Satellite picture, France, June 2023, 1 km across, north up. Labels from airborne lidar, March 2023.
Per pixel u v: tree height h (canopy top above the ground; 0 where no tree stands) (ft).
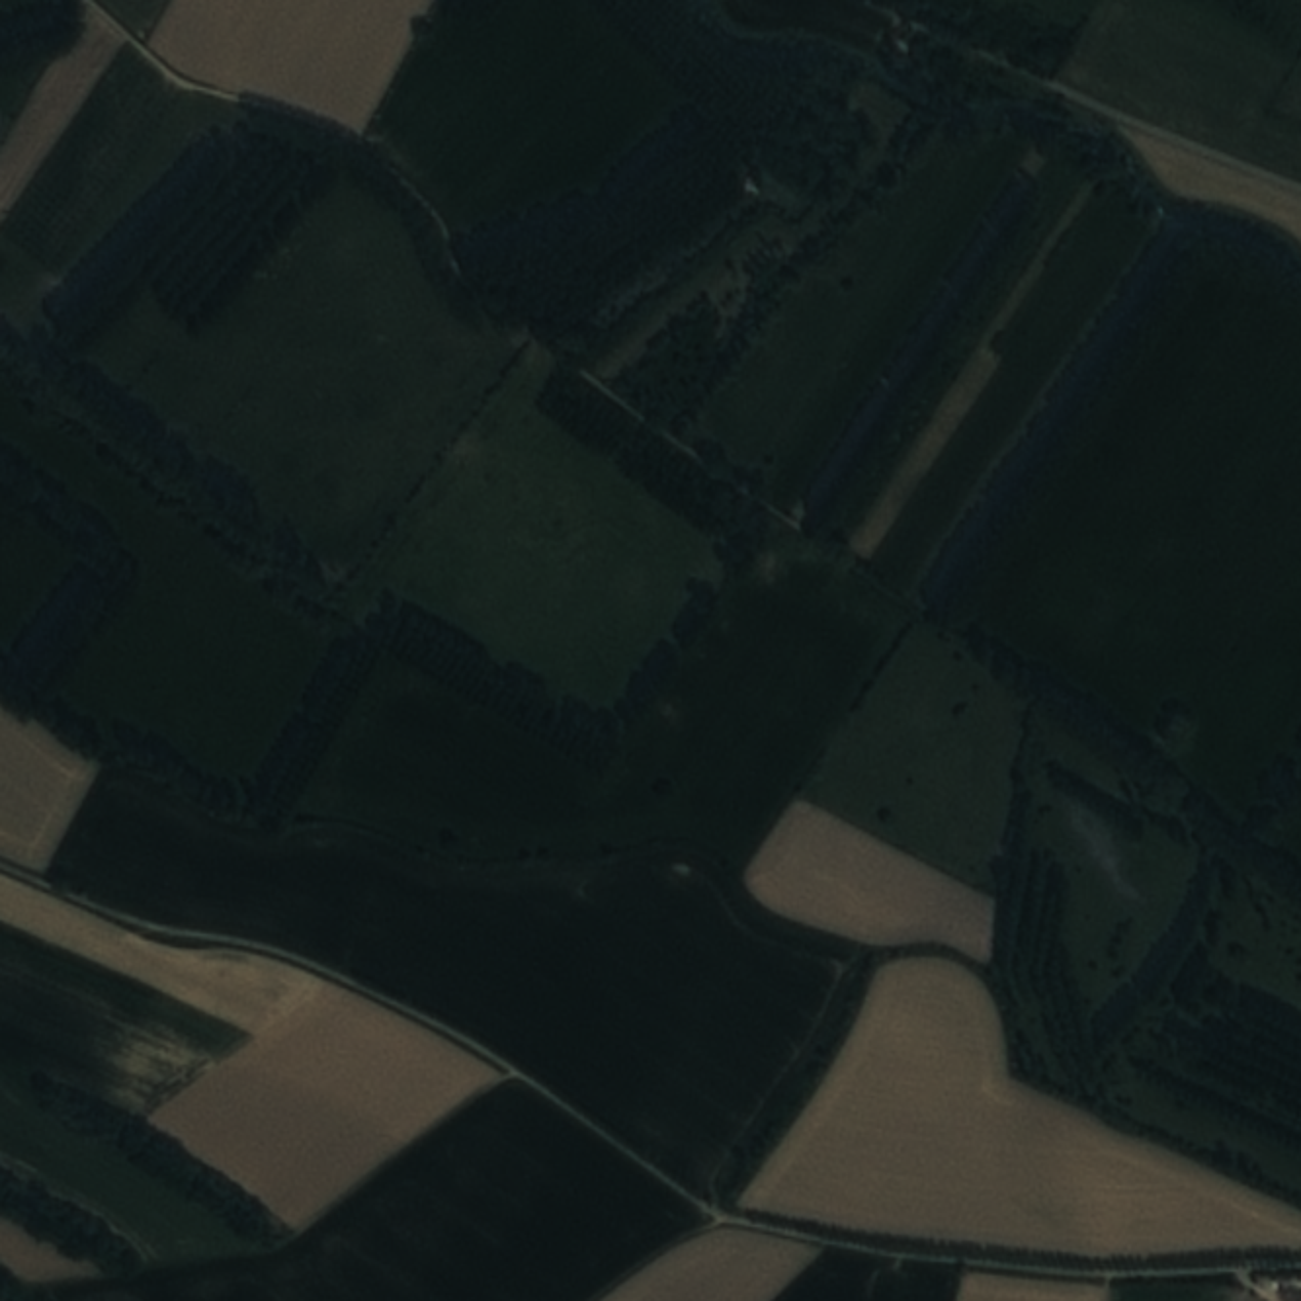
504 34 0
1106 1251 0
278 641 0
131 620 0
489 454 0
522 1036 0
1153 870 0
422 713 0
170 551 0
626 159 0
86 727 87
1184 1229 0
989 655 30
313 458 0
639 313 29
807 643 0
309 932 0
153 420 110
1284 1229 0
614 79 0
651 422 51
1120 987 0
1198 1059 76
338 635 0
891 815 21
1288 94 0
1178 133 0
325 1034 0
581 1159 0
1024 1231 0
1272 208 0
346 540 0
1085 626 0
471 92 0
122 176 0
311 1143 0
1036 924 67
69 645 125
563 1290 0
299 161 97
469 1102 0
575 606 0
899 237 0
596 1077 0
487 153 0
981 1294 0
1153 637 0
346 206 0
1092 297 0
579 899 0
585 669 0
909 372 97
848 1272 0
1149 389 0
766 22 0
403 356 0
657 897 0
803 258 45
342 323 0
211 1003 0
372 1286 0
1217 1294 0
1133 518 0
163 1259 0
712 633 0
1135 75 0
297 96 0
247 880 0
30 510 43
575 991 0
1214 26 0
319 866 0
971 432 0
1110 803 72
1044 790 0
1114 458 0
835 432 0
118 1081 0
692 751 0
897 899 0
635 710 71
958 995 0
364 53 0
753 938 0
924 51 32
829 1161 0
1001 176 0
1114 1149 0
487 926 0
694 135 104
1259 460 0
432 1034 0
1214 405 0
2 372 29
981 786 0
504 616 0
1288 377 0
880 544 0
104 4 0
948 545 0
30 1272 0
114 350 0
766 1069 0
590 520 0
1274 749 0
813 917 0
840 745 0
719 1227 0
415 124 0
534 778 0
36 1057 0
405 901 0
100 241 0
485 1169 0
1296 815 105
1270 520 0
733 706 0
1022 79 0
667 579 0
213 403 0
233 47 0
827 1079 0
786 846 0
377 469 0
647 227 104
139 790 0
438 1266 0
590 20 0
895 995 0
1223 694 0
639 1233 0
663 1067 0
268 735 0
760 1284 0
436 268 86
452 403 0
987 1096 0
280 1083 0
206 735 0
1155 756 66
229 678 0
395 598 60
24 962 0
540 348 0
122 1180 0
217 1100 0
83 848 0
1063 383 0
